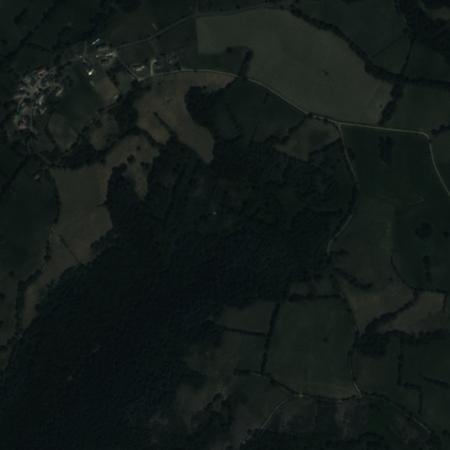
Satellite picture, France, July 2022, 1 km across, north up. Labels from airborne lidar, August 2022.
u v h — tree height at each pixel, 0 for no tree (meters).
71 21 0
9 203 0
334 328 0
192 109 20
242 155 9
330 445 15
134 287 21
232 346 0
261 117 0
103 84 0
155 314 21
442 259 0
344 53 0
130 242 20
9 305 0
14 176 8
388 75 17
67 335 29
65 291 15
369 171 0
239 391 0
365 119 0
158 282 17
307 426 0
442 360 0
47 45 0
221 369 0
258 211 12
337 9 0
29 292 0
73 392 20
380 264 0
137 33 0
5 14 0
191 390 0
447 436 12
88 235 0
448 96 0
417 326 0
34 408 17
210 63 0
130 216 19
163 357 9
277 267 8
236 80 6
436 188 0
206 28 0
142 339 18
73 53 0
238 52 0
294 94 0
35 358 21
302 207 0
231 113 7
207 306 30
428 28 34
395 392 0
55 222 9
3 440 15
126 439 16
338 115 0
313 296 12
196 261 20
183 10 0
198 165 11
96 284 24
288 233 8
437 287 0
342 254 11
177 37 0
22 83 10
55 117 0
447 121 0
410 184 0
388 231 0
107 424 18
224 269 17
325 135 0
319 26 12
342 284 0
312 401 0
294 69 0
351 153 9
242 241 24
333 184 8
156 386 15
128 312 22
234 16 0
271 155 18
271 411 0
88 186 0
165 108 0
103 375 20
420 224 0
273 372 0
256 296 14
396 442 0
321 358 0
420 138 0
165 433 6
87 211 0
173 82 0
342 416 0
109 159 0
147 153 0
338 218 9
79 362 19
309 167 10
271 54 0
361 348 11
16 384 28
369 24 0
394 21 0
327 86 0
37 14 0
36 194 0
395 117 0
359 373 0
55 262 0
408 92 0
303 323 0
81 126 0
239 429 0
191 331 20
